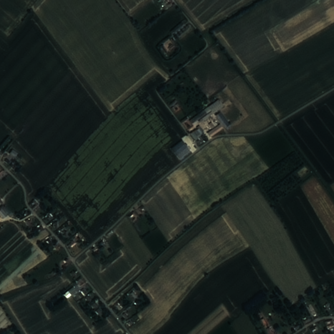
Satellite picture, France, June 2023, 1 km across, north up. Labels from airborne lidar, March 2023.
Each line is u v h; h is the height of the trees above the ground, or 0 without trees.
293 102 0
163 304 0
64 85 0
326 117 0
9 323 0
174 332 0
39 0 0
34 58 0
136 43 0
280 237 0
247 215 0
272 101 0
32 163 0
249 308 31
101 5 0
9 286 0
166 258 0
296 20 0
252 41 0
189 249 0
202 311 0
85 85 0
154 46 0
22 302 0
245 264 0
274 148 0
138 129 0
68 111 0
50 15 0
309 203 0
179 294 0
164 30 0
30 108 0
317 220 0
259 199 0
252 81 0
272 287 0
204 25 0
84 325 0
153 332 0
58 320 0
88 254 0
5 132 0
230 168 0
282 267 0
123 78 0
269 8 0
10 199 0
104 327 0
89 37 0
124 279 0
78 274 0
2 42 0
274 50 0
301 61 0
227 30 0
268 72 0
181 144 0
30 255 0
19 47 0
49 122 0
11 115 0
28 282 0
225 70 0
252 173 0
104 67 0
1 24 0
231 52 0
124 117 0
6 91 0
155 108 0
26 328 0
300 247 0
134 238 0
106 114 0
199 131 0
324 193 0
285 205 0
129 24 0
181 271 0
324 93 0
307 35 0
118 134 0
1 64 0
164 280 0
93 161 0
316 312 0
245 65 0
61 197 0
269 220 0
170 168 0
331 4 0
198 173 0
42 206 16
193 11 0
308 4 0
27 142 0
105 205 0
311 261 0
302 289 0
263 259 0
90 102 0
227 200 0
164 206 0
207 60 0
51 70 0
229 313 0
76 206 0
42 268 0
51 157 0
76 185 0
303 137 0
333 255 0
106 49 0
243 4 0
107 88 0
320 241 0
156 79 0
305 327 0
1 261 0
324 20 0
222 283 0
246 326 0
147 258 0
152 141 0
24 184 0
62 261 0
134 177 0
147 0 0
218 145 0
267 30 0
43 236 0
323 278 0
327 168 0
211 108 0
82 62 0
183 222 0
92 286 0
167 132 0
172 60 0
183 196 0
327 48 0
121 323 0
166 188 0
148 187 0
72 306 0
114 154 0
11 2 0
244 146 0
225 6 0
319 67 0
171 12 0
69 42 0
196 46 0
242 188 0
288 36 0
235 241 0
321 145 0
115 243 0
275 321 0
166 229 0
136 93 0
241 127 0
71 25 0
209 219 0
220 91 0
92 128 0
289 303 16
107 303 0
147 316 0
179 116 0
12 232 0
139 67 0
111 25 0
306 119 0
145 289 0
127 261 0
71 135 0
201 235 0
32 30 0
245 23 0
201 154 0
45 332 0
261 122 0
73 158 0
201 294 0
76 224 0
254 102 0
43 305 0
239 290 0
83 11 0
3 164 0
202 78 0
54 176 0
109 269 0
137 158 0
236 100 0
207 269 0
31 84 0
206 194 0
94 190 0
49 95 0
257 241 0
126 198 0
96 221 0
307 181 0
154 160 0
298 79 0
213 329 0
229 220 0
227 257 0
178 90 12
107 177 0
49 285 0
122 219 0
